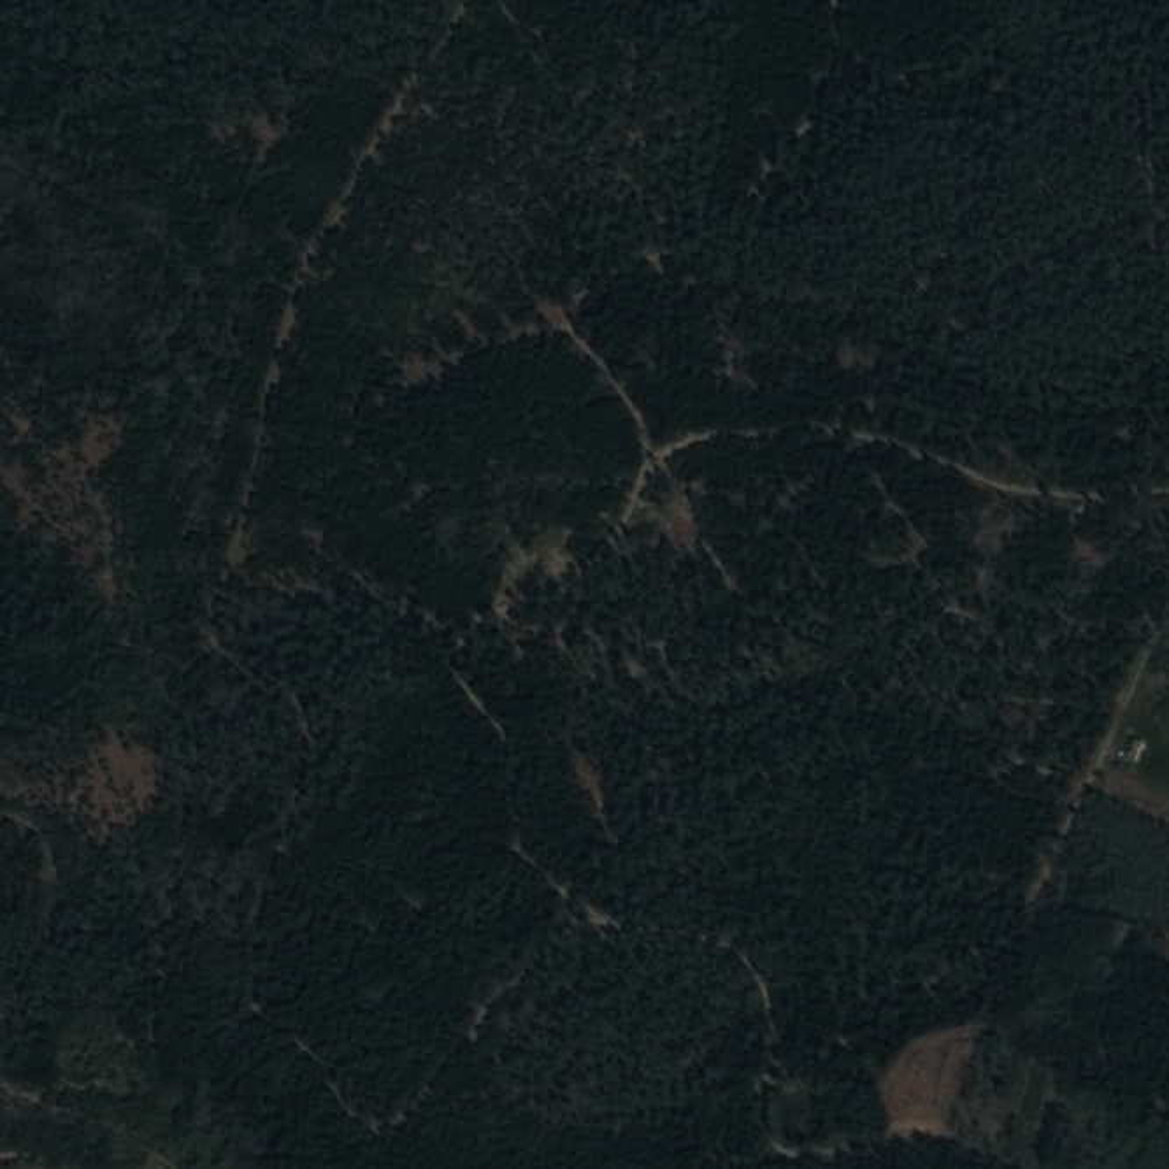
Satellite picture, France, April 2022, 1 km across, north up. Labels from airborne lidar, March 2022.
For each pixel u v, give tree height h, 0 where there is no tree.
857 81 18
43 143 12
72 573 7
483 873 28
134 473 10
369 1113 19
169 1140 18
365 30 24
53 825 18
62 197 11
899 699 9
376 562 15
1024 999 24
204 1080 17
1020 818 12
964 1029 20
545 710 14
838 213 21
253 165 10
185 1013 20
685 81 21
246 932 26
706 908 26
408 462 12
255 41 24
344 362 11
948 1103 0
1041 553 11
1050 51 22
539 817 16
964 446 18
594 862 19
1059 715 13
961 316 8
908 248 29
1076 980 16
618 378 17
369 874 25
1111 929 25
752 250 29
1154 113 26
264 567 9
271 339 13
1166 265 17
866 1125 33
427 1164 16
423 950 20
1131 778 18
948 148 29
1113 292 22
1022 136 21
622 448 9
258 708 18
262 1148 25
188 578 13
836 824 10
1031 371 24
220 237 8
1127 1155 20
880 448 12
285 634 35
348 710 29
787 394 13
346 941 25
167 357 12
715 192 17
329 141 11
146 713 8
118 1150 14
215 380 19
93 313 11
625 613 12
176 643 15
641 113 11
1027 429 22
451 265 8
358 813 14
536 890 22
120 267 9
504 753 16
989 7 27
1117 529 9
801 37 13
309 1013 28
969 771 17
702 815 17
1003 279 6
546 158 8
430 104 11
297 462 12
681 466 6
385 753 13
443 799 20
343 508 18
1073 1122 23
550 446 10
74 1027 12
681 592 22
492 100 9
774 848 11
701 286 15
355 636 35
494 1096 6
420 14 23
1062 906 20
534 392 9
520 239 9
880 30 18
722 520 12
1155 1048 24
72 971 21
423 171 7
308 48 31
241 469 12
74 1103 10
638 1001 23
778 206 14
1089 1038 21
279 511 15
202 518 16
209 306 12
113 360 8
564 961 26
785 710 34
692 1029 27
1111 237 18
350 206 9
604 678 10
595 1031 22
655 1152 15
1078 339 29
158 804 6
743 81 15
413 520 7
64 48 29
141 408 9
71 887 9
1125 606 16
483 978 9
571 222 28
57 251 10
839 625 25
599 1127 10
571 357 14
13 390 7
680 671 24
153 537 11
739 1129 15
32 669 12
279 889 23
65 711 6
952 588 25
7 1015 7
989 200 28
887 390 11
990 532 0
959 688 25
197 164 7
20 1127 16
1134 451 9
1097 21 24
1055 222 28
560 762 7
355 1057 20
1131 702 0
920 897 26
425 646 20
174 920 8
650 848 23
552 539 0
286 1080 20
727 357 13
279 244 9
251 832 13
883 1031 21
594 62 7
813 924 14
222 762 29
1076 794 0
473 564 6
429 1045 16
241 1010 19
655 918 22
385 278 9
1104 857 8
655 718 32
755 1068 24
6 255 16
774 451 14
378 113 9
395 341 9
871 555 19
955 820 22
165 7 25
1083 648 11
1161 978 20
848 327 12
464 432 12
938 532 9
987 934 11
